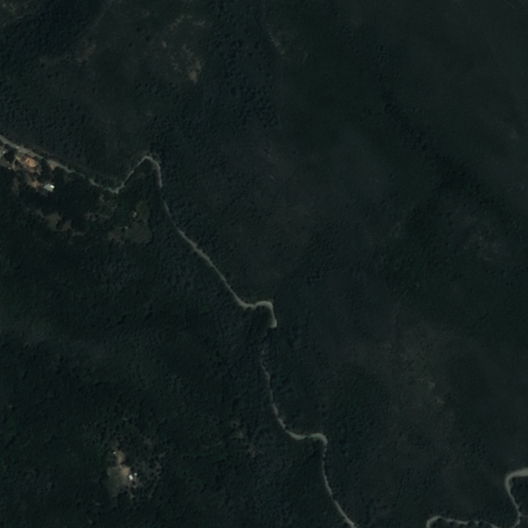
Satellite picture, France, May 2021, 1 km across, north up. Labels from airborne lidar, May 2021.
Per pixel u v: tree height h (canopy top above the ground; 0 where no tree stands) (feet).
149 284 57
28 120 55
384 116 25
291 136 20
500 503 21
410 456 36
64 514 51
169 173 49
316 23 20
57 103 25
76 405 72
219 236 42
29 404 63
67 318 66
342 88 17
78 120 26
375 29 21
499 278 41
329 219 18
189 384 61
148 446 20
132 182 38
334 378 27
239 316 28
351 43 40
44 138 33
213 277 32
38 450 74
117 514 68
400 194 27
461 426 19
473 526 61
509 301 26
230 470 65
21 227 47
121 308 47
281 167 0
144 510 78
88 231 28
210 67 20
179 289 74
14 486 66
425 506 41
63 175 40
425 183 24
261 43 27
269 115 36
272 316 33
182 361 59
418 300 23
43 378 56
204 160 18
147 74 19
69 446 64
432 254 32
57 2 35
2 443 74
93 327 83
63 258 53
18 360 67
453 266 20
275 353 29
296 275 24
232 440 52
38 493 53
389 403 22
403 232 21
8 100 52
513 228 20
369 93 20
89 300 37
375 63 32
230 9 30
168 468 46
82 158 62
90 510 73
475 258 19
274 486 60
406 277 45
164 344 60
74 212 51
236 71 55
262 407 83
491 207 22
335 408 40
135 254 30
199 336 57
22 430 71
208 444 37
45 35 27
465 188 37
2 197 45
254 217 23
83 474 75
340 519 39
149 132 22
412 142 58
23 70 29
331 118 20
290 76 21
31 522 62
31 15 23
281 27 18
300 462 42
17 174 35
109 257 42
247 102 56
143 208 0
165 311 76
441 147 27
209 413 58
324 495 32
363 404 29
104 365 24
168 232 26
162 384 37
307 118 20
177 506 76
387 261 41
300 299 24
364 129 20
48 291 53
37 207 35
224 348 52
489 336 19
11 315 37
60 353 49
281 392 66
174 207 52
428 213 44
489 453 20
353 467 21
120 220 24
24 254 40
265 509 40
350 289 22
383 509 52
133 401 36
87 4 18
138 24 18
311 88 23
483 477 18
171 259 63
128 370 19
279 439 31
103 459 66
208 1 18
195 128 29
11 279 70
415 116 30
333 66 23
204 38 24
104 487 80
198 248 31
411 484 19
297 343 75
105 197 26
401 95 22
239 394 67
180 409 41
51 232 40
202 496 54
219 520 52
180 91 17
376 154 20
